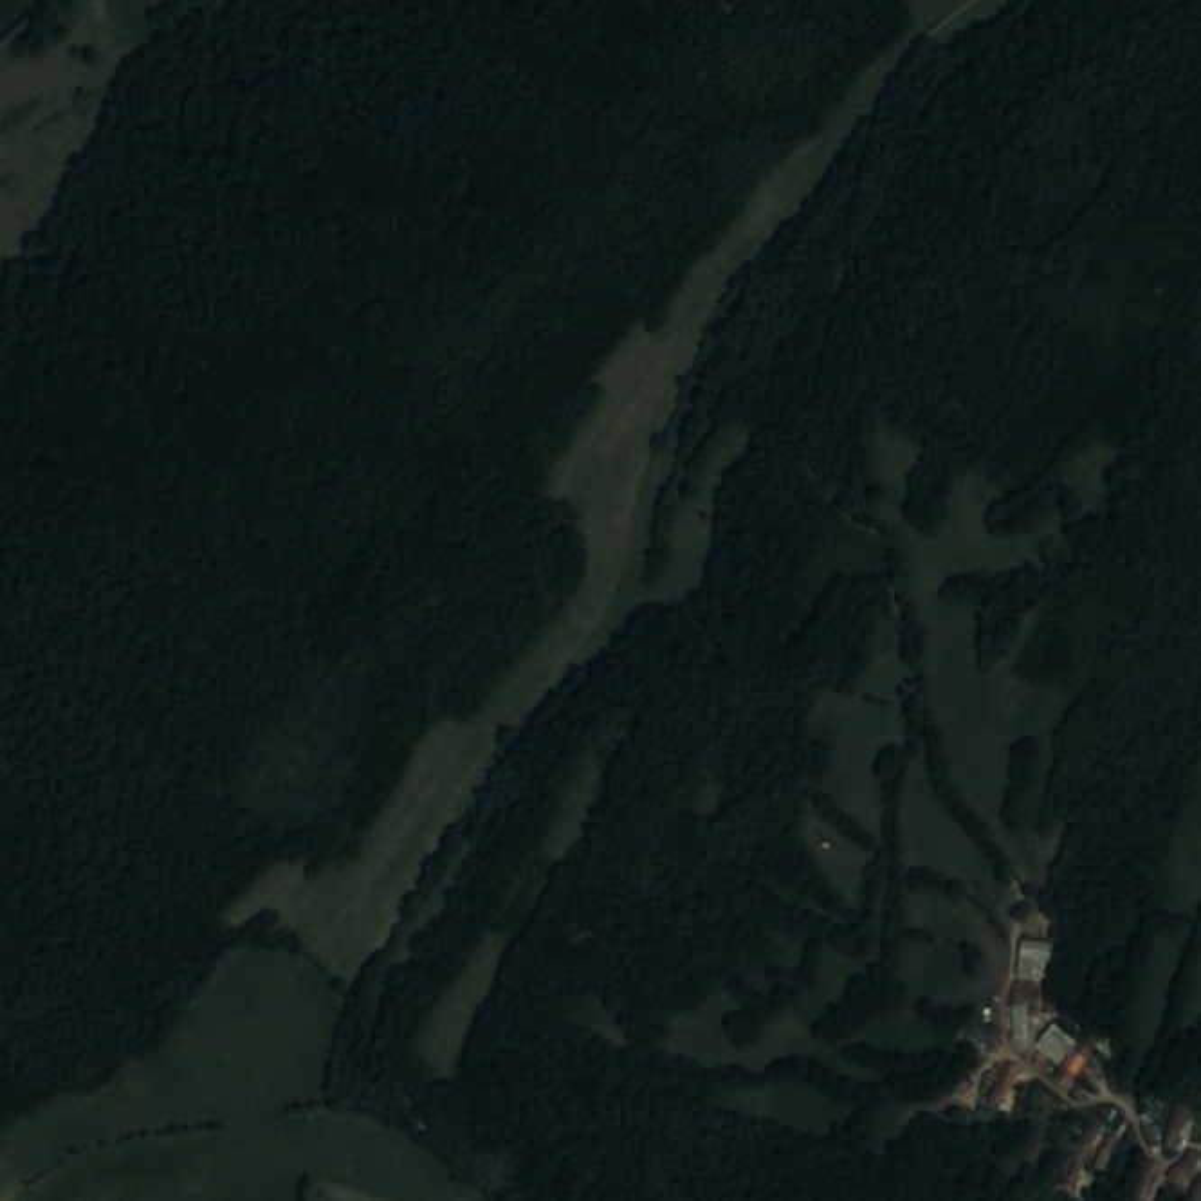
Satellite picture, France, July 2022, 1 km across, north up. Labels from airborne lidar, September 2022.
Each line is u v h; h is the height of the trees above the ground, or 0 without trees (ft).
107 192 73
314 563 78
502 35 84
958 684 0
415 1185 0
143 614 50
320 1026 0
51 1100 19
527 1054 32
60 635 53
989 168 55
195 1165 0
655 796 56
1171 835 71
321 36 66
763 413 57
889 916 35
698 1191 66
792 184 0
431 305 62
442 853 37
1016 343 30
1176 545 31
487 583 58
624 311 56
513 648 57
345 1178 0
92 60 38
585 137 37
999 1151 63
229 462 65
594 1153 64
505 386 69
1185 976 49
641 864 35
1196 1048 75
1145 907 63
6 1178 0
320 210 64
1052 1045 0
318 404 78
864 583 56
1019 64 53
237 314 75
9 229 0
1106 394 22
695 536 0
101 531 64
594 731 69
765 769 48
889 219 54
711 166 69
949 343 37
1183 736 49
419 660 39
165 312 68
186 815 36
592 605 0
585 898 63
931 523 56
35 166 0
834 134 0
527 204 44
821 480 25
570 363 45
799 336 64
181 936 52
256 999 0
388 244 86
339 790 20
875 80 0
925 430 61
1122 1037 30
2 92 0
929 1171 81
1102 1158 0
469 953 49
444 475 56
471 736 0
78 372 75
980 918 0
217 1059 0
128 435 82
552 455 59
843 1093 57
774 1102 0
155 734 57
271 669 38
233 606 54
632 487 0
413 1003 58
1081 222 52
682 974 52
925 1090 57
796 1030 0
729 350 63
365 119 46
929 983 0
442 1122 62
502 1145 60
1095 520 18
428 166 98
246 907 0
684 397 23
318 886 0
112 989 54
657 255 63
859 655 53
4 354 93
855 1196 66
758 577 60
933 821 0
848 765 0
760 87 37
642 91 55
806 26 50
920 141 65
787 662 87
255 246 81
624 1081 62
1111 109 23
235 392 81
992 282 37
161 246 51
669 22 76
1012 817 28
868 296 63
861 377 47
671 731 38
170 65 73
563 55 71
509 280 44
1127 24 80
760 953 53
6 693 55
